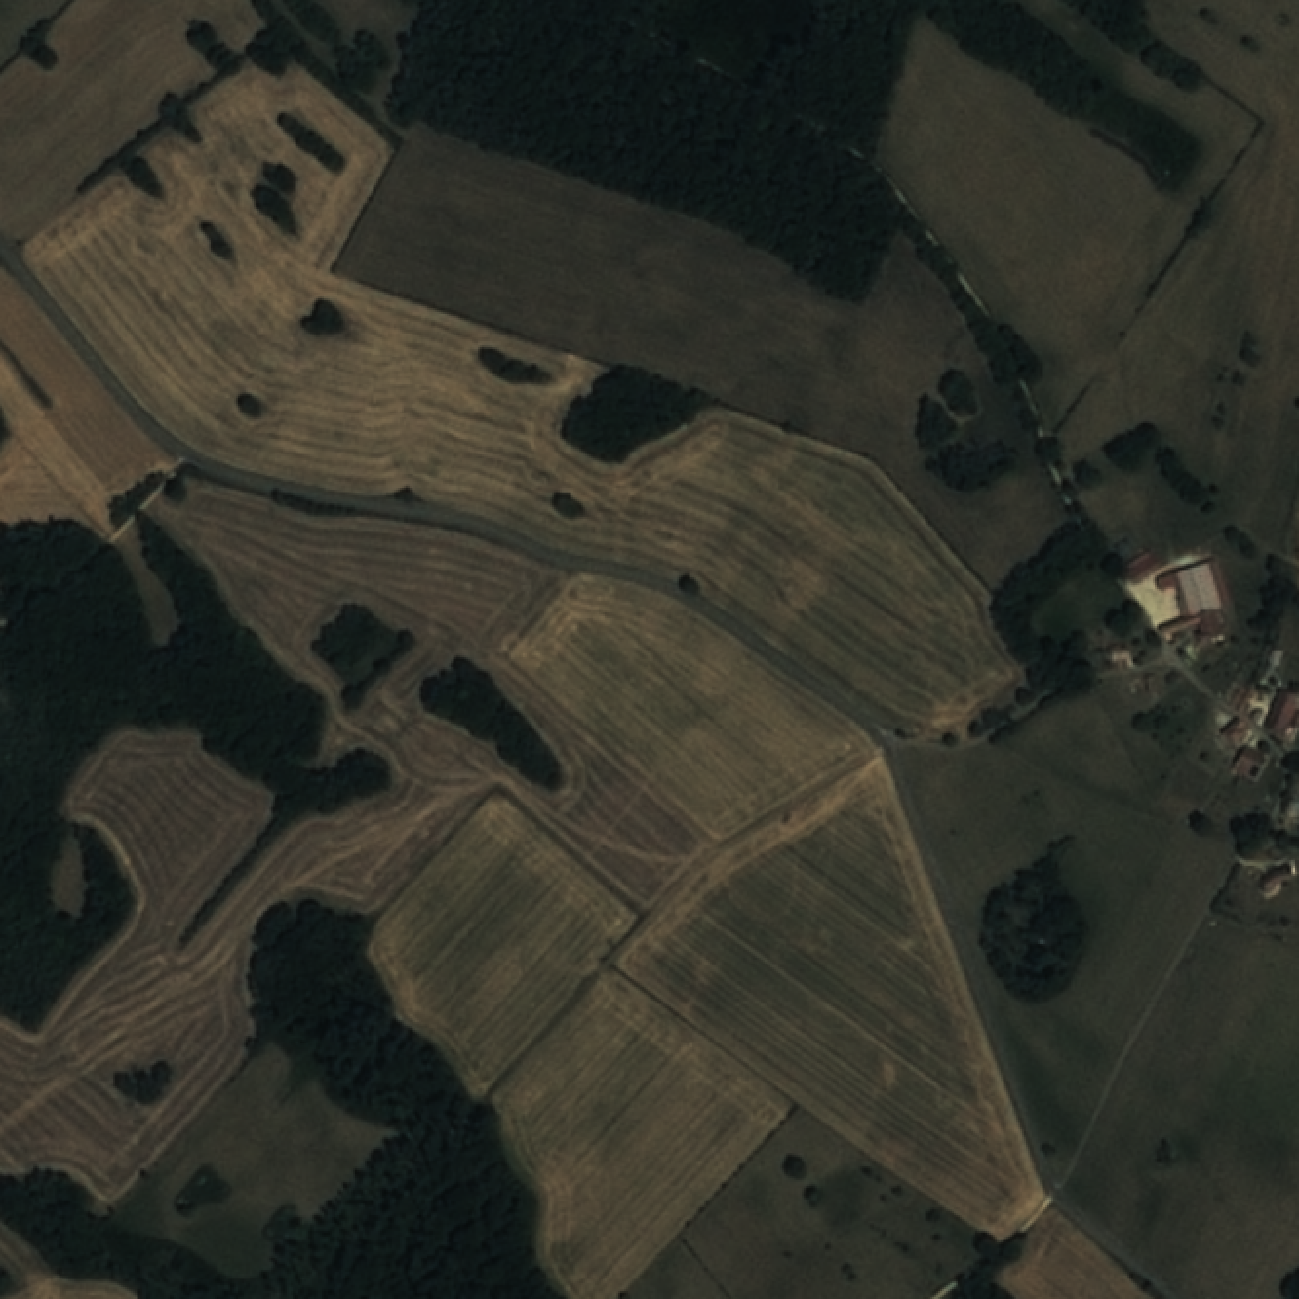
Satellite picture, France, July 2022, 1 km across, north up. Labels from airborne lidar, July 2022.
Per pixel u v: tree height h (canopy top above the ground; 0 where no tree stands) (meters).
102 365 0
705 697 0
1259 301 0
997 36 19
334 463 0
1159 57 13
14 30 0
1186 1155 0
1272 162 0
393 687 0
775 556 0
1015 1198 0
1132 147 0
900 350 0
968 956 0
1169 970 0
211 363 0
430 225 0
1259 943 0
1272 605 17
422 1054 16
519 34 19
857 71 21
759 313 0
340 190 0
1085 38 0
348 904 0
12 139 0
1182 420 0
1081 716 0
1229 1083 0
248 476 0
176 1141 0
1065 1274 0
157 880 0
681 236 0
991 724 11
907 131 0
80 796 0
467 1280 10
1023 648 21
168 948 0
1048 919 16
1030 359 16
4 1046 0
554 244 0
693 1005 0
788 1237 0
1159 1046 0
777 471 0
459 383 0
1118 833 0
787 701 0
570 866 0
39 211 0
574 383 0
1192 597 0
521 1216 23
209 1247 0
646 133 23
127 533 0
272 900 0
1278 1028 0
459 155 0
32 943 9
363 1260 21
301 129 9
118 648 28
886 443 0
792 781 0
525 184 0
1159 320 0
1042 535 0
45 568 14
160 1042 0
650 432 13
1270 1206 0
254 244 0
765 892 0
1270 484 0
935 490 0
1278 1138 0
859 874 0
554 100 20
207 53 6
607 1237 0
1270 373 0
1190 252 0
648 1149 0
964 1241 0
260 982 13
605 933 0
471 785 0
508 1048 0
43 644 18
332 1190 0
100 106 0
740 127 23
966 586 0
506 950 0
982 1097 0
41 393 0
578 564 0
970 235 0
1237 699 0
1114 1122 0
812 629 0
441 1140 16
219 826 0
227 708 19
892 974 0
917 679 0
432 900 0
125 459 0
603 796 0
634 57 9
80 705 15
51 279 0
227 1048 0
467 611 0
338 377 0
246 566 0
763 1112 0
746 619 0
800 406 0
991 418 0
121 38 0
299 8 12
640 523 0
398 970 0
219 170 0
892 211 17
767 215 18
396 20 0
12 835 17
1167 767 0
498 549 0
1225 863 0
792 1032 0
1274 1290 0
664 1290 0
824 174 23
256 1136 0
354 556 0
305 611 0
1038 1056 0
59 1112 0
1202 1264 0
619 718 0
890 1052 0
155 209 0
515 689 0
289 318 0
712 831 0
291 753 23
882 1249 0
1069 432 0
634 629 0
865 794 0
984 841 0
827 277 19
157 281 0
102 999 0
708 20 6
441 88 14
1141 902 0
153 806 0
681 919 0
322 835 0
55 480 0
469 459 0
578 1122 0
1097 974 0
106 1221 6
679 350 0
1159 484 0
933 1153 0
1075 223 0
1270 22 0
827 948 0
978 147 0
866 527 0
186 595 21
